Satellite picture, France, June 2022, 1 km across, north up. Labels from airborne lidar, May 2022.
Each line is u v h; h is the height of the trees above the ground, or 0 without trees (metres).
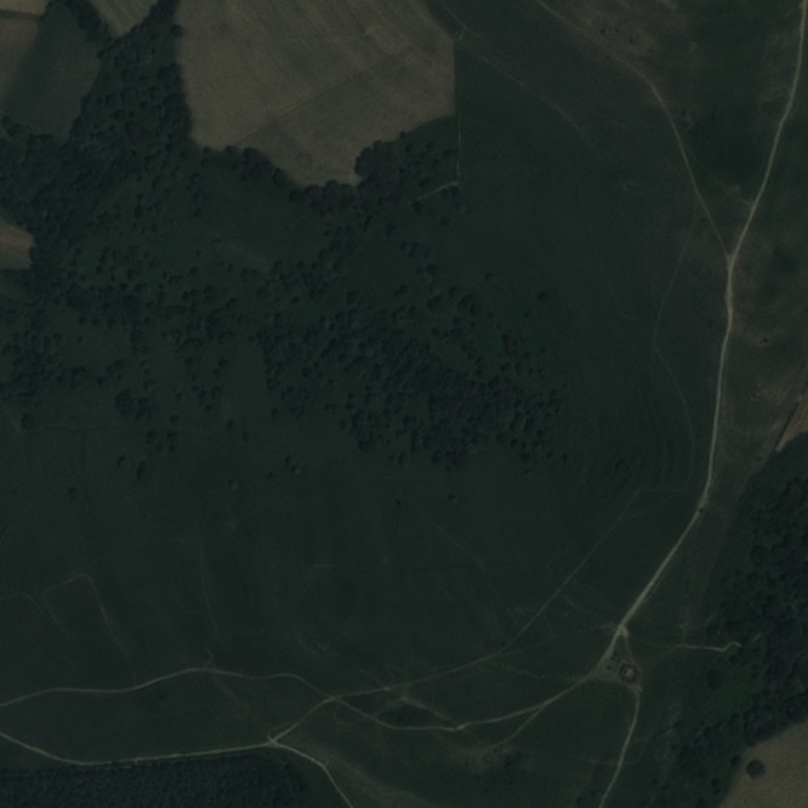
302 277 9
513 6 0
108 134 13
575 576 0
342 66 0
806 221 0
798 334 0
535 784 0
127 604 0
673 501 0
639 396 0
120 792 11
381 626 0
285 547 0
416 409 0
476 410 13
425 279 12
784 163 0
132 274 18
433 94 0
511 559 0
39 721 0
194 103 0
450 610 0
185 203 0
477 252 0
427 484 0
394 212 15
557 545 0
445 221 8
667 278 0
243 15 0
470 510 0
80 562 0
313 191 16
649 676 0
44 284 21
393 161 15
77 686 0
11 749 0
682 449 0
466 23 0
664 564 0
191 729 0
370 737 0
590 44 0
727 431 0
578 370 0
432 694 0
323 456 0
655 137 0
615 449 0
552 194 0
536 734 0
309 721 0
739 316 0
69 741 0
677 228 0
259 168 16
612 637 0
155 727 0
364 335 6
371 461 0
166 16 13
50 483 0
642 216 0
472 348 12
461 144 0
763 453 0
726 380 0
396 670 0
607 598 0
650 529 0
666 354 0
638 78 0
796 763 0
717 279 0
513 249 0
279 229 0
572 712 0
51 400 0
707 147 0
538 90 0
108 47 12
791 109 0
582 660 0
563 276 0
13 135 19
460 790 0
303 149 0
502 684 0
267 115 0
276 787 9
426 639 0
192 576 0
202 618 0
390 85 0
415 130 0
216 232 0
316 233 0
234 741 0
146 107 14
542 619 0
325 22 0
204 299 11
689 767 19
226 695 0
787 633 22
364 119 0
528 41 0
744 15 0
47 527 0
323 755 0
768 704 15
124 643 0
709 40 0
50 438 0
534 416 17
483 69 0
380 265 0
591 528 0
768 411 0
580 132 0
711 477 0
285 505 0
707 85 0
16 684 0
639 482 0
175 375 0
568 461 8
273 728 0
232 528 0
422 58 0
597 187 0
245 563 0
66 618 0
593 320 0
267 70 0
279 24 0
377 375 14
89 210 17
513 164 0
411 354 19
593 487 0
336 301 0
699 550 0
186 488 0
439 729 0
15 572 0
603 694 0
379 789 0
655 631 0
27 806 15
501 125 0
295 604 0
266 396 0
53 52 0
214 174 0
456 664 0
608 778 0
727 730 12
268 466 0
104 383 13
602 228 0
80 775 13
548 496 0
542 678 0
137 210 11
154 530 0
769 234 0
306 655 0
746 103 0
